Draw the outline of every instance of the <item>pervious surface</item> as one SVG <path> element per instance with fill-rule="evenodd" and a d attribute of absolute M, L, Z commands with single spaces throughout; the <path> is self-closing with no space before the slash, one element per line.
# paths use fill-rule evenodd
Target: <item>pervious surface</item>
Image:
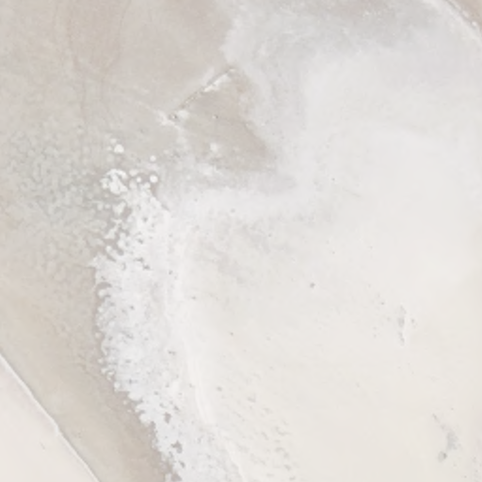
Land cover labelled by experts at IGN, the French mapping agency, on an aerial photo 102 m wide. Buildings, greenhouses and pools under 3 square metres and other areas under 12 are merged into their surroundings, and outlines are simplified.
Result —
<path fill-rule="evenodd" d="M 6 358 L 9 367 L 17 373 L 17 377 L 28 386 L 28 390 L 36 397 L 36 401 L 45 412 L 55 420 L 62 437 L 72 446 L 75 454 L 87 463 L 90 473 L 94 474 L 98 482 L 482 482 L 482 0 L 0 0 L 0 354 Z"/>

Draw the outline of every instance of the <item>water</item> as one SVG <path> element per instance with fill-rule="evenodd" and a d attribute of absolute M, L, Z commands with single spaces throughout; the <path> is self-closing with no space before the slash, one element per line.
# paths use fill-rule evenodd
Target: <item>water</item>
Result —
<path fill-rule="evenodd" d="M 17 377 L 17 373 L 9 367 L 6 358 L 0 354 L 0 482 L 98 482 L 94 474 L 90 473 L 87 463 L 75 454 L 72 446 L 62 437 L 55 420 L 45 412 L 36 401 L 36 397 L 28 390 L 28 386 Z"/>

